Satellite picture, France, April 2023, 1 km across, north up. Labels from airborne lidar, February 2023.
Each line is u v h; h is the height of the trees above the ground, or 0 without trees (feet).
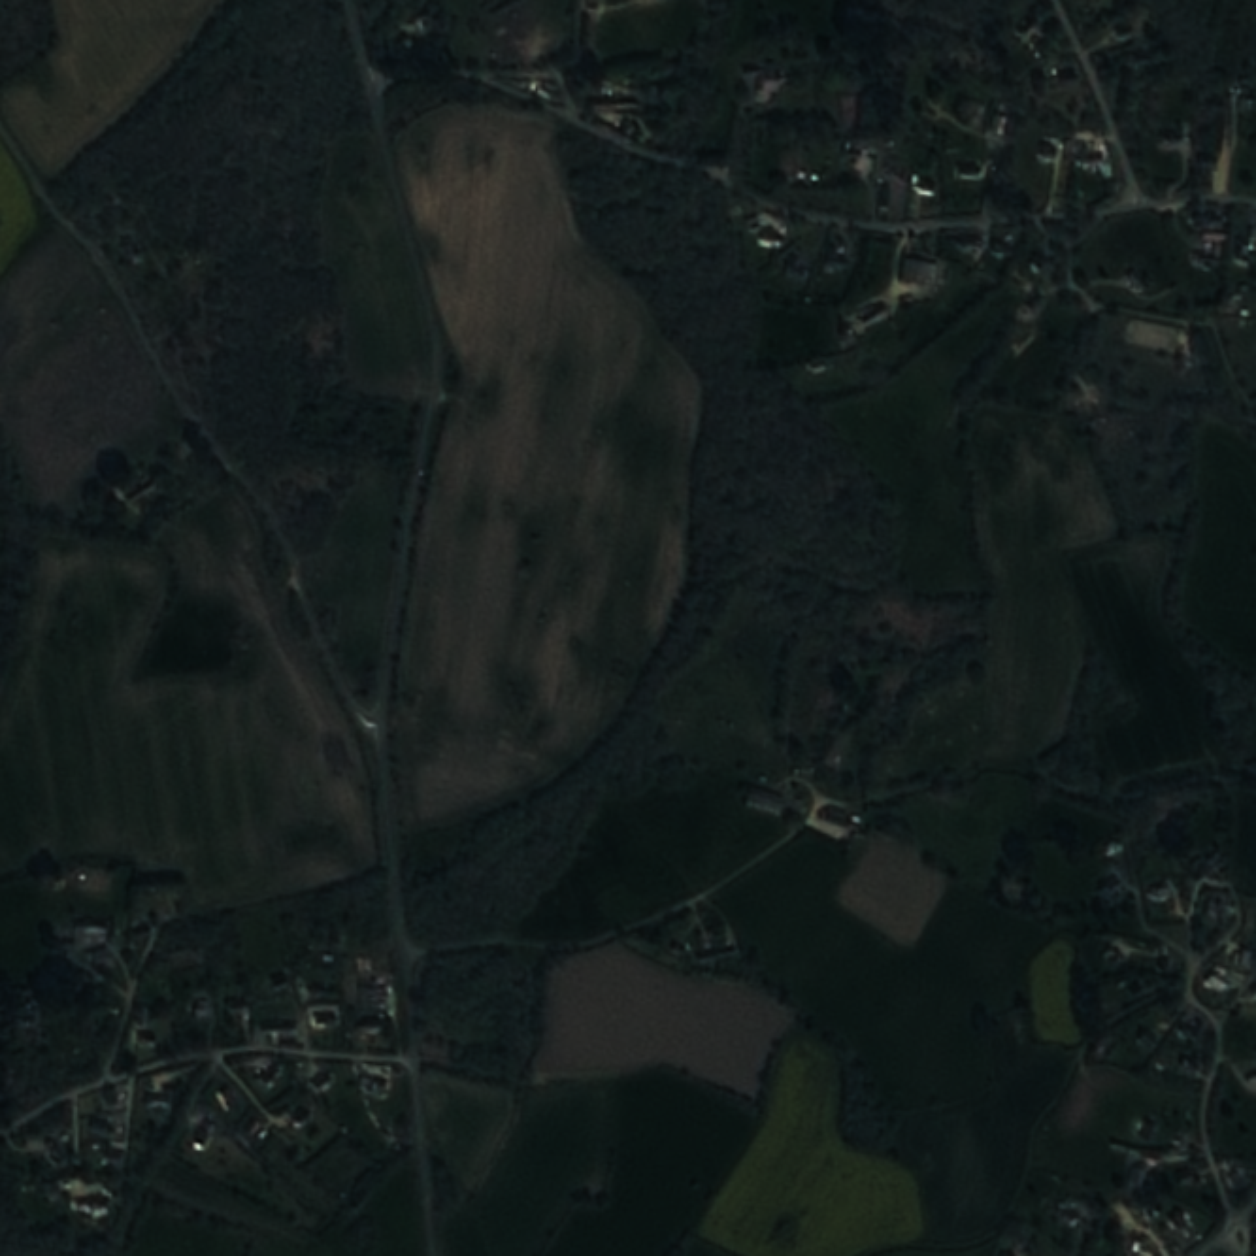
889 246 30
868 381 26
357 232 0
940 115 0
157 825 0
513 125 0
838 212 18
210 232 21
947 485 0
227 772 0
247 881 0
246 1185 0
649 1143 0
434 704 0
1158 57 26
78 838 0
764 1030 0
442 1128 0
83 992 49
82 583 0
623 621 0
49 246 0
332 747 0
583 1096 0
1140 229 0
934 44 40
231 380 43
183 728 0
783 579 33
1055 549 0
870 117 36
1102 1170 0
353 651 0
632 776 36
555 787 27
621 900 0
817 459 49
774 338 0
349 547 0
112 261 19
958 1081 0
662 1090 0
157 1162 32
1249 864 0
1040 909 37
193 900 0
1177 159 0
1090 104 20
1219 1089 20
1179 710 0
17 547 39
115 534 29
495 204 0
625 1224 0
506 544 0
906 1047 0
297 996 0
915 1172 0
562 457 0
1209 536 0
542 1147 0
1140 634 0
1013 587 0
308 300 43
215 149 18
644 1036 0
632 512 0
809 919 0
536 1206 0
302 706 0
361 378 0
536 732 0
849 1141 31
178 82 38
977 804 0
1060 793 22
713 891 0
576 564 0
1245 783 32
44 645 0
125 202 44
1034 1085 0
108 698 0
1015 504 0
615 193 29
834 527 45
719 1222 0
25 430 0
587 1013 0
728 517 54
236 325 32
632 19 0
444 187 0
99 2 0
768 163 0
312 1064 0
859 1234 0
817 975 0
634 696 21
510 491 0
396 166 0
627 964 0
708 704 0
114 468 58
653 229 32
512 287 0
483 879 20
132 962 23
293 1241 0
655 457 0
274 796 0
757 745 0
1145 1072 33
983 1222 0
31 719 0
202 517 0
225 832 0
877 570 40
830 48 40
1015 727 0
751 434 44
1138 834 25
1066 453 0
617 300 0
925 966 0
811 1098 0
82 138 0
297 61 36
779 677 29
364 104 31
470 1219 0
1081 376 28
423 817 0
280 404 45
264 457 45
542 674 0
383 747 0
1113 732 0
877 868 0
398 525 23
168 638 0
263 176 23
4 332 0
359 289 0
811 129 55
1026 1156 0
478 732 0
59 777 0
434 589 0
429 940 20
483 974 31
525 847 32
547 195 0
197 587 0
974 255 0
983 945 0
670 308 34
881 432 0
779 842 0
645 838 0
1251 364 0
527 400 0
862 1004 0
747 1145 0
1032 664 0
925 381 0
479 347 0
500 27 0
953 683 23
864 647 51
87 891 0
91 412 0
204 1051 53
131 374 0
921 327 0
